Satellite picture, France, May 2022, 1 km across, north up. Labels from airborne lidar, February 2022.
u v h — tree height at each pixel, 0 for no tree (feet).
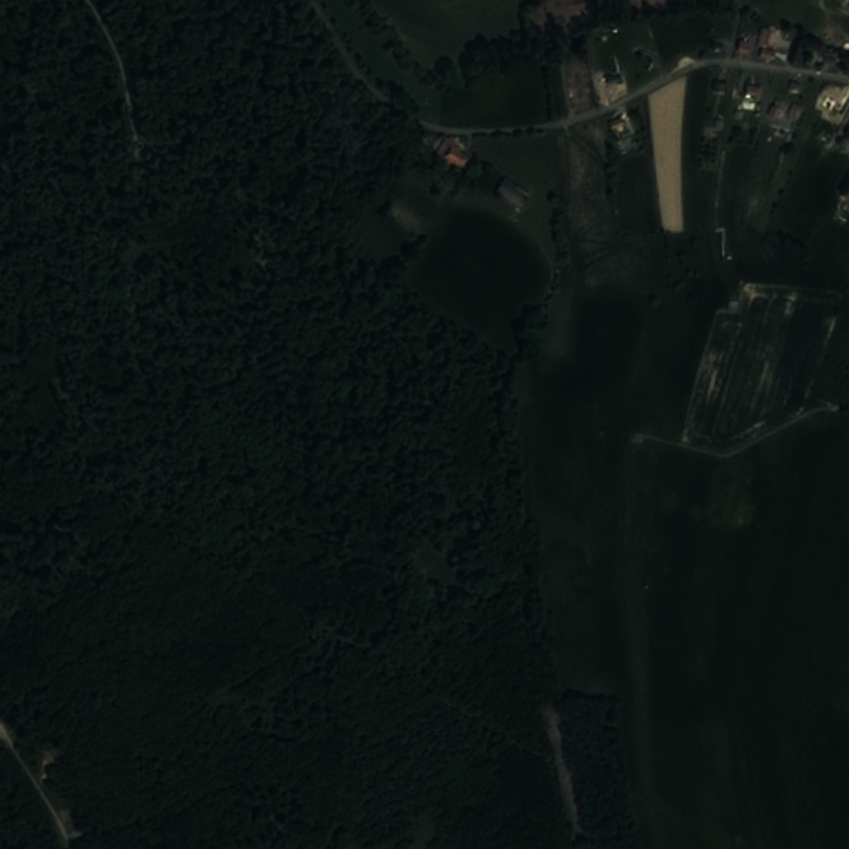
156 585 45
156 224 90
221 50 94
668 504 0
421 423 92
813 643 0
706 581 0
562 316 0
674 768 0
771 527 0
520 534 43
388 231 0
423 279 0
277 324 82
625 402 0
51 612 29
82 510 69
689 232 0
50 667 32
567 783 0
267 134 98
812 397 0
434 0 0
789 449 0
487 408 42
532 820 30
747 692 0
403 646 89
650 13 86
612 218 0
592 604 0
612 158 30
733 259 0
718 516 0
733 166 0
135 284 94
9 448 52
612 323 0
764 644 0
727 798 0
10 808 49
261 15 66
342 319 89
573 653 0
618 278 0
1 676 48
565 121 0
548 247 0
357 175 66
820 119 0
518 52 80
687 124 0
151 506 90
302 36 100
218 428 86
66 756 40
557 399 0
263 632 40
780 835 0
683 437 0
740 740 0
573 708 68
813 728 0
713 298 0
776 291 0
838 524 0
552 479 0
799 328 0
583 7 96
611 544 0
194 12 76
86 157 90
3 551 112
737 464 0
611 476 0
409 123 80
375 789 24
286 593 52
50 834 45
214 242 45
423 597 77
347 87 85
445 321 35
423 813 22
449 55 0
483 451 61
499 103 0
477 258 0
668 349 0
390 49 36
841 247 0
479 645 48
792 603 0
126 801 46
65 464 75
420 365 97
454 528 28
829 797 0
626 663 0
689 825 0
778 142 0
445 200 0
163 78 106
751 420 0
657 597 0
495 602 31
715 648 0
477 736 23
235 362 86
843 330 0
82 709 61
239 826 59
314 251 85
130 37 91
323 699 55
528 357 62
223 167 100
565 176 0
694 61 0
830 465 0
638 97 0
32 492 72
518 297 0
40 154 89
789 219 0
